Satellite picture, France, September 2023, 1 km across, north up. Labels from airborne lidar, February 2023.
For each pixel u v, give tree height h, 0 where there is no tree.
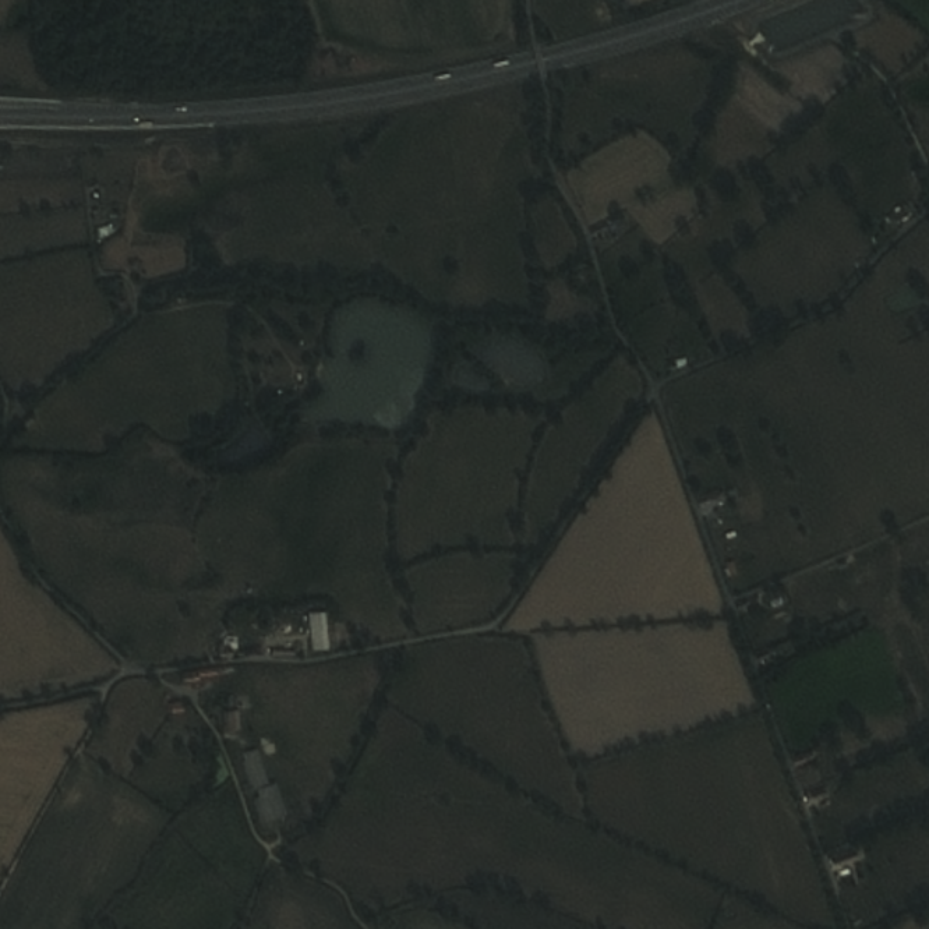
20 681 0
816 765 6
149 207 0
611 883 0
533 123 15
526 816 0
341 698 0
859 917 0
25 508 0
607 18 0
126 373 0
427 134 0
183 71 9
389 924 16
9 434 8
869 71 17
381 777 0
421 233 0
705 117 12
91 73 7
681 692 0
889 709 0
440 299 0
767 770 0
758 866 0
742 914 0
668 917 0
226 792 0
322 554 0
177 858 0
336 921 0
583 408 0
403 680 0
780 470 0
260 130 0
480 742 0
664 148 6
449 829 0
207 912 0
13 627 0
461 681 0
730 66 12
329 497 0
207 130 0
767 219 20
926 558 0
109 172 0
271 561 0
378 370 0
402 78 0
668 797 0
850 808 0
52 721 0
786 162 0
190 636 0
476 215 0
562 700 0
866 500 0
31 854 0
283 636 0
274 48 9
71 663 0
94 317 0
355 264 0
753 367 0
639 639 0
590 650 0
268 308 0
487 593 0
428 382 13
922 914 19
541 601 0
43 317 0
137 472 0
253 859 0
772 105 0
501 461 0
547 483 0
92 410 0
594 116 0
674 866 9
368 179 0
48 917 0
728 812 0
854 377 0
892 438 0
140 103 0
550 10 0
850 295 14
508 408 14
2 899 0
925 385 0
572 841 0
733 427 0
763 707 11
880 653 0
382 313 0
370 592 0
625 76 0
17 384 0
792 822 0
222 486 0
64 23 7
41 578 7
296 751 0
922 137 0
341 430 8
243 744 0
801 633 14
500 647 0
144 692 0
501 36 0
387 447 0
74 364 13
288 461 0
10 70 0
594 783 0
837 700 0
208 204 0
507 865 0
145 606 0
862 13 0
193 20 8
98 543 0
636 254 0
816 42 0
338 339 0
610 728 0
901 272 0
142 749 14
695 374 15
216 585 0
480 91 0
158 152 0
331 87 0
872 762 12
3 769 0
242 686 0
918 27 14
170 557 0
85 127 0
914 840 0
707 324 10
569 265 10
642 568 0
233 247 0
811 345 0
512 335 0
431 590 0
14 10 0
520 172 0
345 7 0
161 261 0
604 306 10
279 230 0
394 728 0
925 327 20
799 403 0
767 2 0
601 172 0
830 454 0
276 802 0
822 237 0
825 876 11
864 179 0
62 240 0
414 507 0
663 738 11
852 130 0
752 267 0
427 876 0
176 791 0
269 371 0
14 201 0
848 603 0
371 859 0
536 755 0
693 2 0
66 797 0
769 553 0
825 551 0
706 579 0
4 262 9
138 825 0
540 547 11
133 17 7
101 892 0
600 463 12
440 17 0
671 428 0
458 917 12
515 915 0
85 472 0
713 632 0
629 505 0
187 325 0
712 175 0
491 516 0
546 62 0
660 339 0
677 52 0
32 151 0
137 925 0
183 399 0
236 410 18
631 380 0
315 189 0
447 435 0
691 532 0
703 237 0
